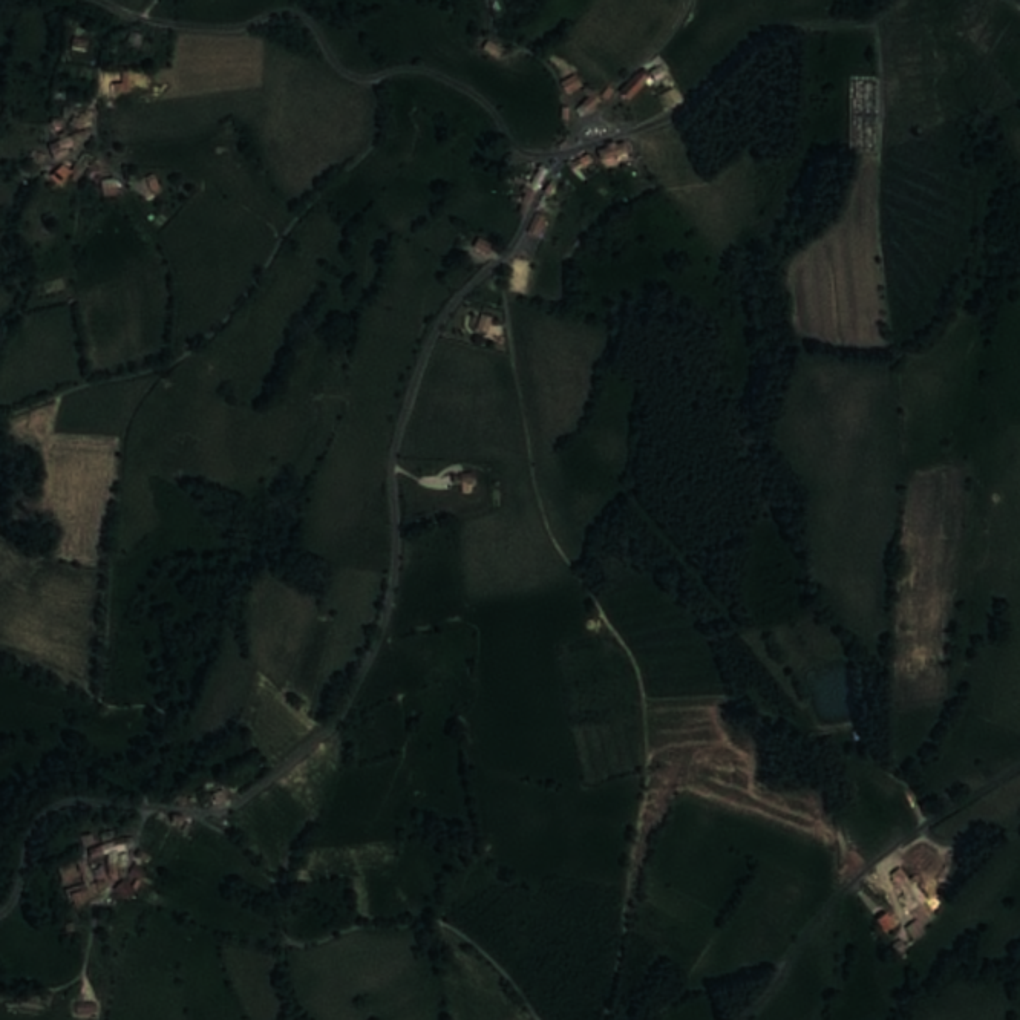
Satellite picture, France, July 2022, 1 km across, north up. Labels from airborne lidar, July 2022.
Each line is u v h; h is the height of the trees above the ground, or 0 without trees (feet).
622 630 0
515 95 0
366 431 0
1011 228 65
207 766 56
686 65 0
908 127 0
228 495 72
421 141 0
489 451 0
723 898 0
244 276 0
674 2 0
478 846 67
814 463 0
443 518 44
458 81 0
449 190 62
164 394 0
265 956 59
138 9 0
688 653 0
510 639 0
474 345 21
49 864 66
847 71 0
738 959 0
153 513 0
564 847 0
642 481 70
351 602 0
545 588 0
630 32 0
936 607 0
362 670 47
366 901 0
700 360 92
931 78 0
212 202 0
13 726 0
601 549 67
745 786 0
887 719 122
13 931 0
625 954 35
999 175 42
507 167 52
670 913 0
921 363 0
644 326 93
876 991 0
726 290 22
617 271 0
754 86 104
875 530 0
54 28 56
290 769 0
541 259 0
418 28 0
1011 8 0
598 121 0
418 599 0
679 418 71
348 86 0
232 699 0
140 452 0
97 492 0
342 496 0
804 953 0
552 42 54
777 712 43
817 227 41
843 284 0
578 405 0
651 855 51
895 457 0
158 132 0
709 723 0
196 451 0
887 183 0
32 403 28
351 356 25
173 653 62
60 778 92
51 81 23
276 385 75
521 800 0
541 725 0
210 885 0
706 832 0
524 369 0
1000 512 0
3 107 34
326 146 0
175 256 0
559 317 41
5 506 93
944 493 0
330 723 68
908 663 0
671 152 0
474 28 35
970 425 0
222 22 0
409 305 0
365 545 0
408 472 0
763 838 0
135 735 0
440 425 0
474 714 0
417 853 0
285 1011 46
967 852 87
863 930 0
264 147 0
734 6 0
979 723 0
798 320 0
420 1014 0
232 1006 0
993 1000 0
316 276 0
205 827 0
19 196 33
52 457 0
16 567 0
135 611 24
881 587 0
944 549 0
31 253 47
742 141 106
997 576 0
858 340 0
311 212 25
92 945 0
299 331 79
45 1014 0
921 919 0
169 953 0
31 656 0
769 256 93
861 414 0
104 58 29
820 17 0
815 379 0
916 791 55
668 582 109
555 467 0
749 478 66
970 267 32
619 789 0
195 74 0
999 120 35
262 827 0
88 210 41
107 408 0
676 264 85
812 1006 0
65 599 0
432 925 90
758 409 91
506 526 0
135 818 33
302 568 77
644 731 0
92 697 61
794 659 0
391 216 0
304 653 0
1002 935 0
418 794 0
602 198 0
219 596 62
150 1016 0
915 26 0
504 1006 0
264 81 0
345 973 0
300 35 59
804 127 66
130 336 0
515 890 36
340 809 0
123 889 0
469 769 39
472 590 0
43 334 0
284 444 0
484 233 21
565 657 0
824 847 0
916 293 0
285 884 53
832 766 61
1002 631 58
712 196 0
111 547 65
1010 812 0
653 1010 79
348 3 52
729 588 105
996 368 0
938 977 68
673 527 90
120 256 0
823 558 0
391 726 0
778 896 0
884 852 0
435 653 0
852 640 29
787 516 107
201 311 0
